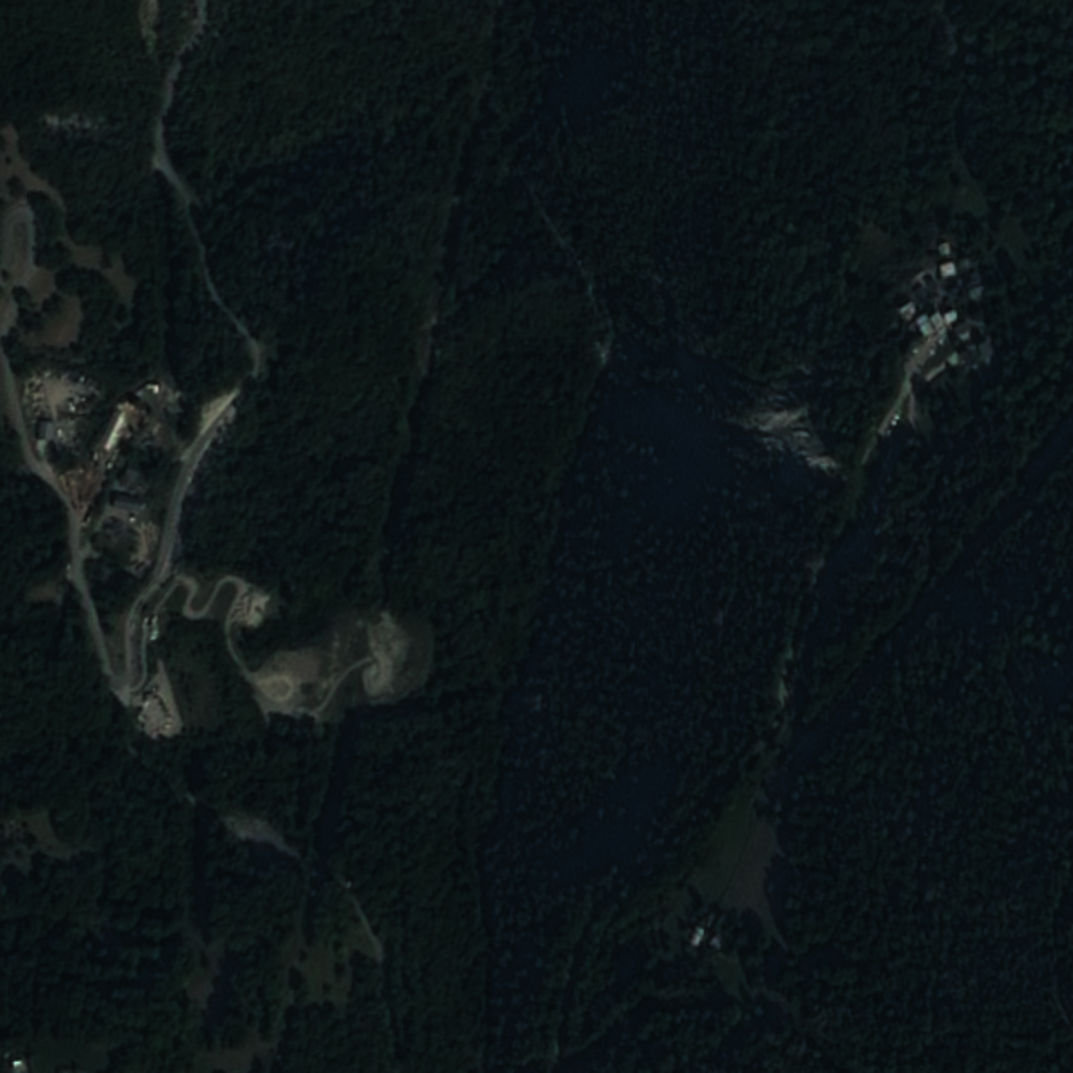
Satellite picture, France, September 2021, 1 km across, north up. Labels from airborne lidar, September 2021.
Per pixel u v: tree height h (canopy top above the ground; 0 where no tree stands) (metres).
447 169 22
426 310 21
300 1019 13
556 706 32
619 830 26
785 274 18
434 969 28
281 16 16
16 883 19
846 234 17
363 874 22
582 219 34
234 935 20
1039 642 26
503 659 23
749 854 0
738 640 15
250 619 0
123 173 16
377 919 19
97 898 20
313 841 6
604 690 30
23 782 26
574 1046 15
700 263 20
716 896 0
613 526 25
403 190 29
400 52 16
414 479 25
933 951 25
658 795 14
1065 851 12
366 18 26
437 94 23
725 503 14
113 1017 21
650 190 17
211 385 19
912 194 21
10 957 21
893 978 27
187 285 20
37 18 19
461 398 19
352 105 11
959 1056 26
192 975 21
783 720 12
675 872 22
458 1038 30
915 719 23
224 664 7
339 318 20
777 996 20
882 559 23
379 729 27
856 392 19
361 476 32
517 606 18
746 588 24
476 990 32
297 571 31
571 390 26
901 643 6
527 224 31
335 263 30
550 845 34
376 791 23
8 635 8
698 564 27
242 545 26
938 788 23
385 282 14
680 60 17
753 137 27
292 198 31
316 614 7
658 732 22
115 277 0
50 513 16
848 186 21
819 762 28
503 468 33
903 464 21
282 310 26
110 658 0
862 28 22
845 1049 24
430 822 25
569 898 21
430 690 13
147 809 22
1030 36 18
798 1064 24
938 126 16
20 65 26
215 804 23
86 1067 0
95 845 17
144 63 12
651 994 16
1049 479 22
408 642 0
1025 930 18
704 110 24
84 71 18
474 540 29
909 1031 25
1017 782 25
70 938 25
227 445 16
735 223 23
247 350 18
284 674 0
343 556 28
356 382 20
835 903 22
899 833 26
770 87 21
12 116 15
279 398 25
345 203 28
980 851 23
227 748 13
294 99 11
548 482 27
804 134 28
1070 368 13
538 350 27
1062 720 16
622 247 15
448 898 29
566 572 26
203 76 15
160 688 0
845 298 12
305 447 32
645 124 20
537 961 30
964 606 7
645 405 8
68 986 26
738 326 20
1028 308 15
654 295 19
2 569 30
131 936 14
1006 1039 24
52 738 28
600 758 22
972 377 0
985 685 19
